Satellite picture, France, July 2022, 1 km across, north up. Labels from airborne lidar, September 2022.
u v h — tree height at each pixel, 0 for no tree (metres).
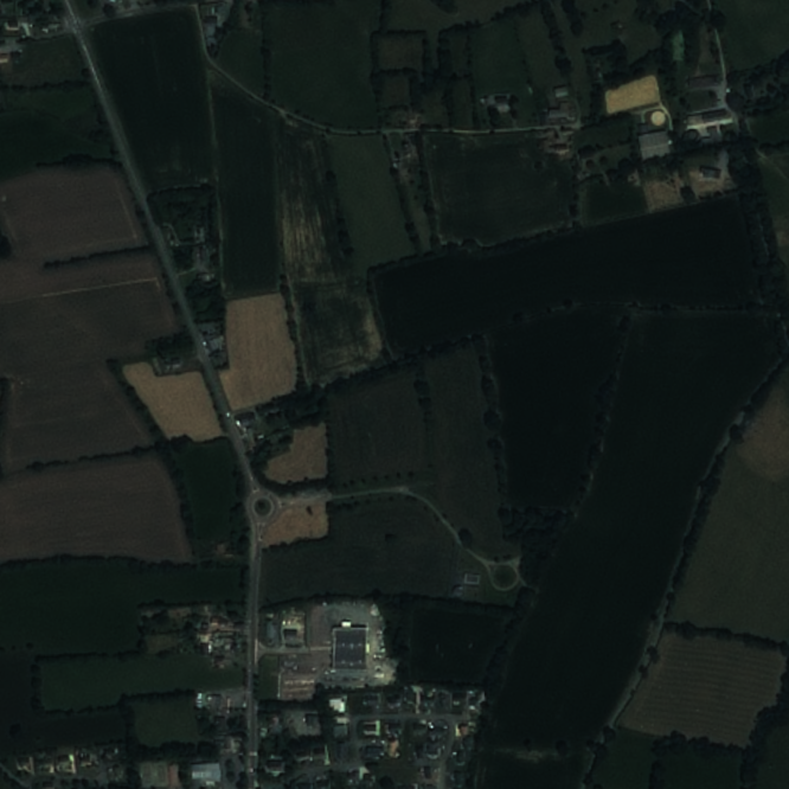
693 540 16
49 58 0
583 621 0
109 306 0
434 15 0
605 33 0
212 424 0
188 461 0
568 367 0
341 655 0
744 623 0
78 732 0
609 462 0
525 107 0
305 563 0
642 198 0
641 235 0
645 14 9
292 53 0
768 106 14
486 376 8
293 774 9
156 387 0
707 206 0
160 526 0
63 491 0
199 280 11
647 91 0
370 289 7
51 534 0
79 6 0
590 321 0
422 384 16
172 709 0
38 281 0
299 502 0
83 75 11
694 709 0
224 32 9
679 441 0
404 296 0
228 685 0
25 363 0
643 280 0
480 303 0
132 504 0
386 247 0
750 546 0
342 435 0
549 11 17
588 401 0
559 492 0
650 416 0
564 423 0
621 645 0
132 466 0
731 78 11
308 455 0
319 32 0
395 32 8
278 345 0
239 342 0
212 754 16
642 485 0
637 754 0
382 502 9
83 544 0
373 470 0
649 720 0
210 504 0
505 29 0
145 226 14
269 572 0
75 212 0
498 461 8
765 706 0
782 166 0
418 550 0
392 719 0
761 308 12
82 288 0
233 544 7
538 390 0
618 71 11
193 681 0
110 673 0
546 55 0
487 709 21
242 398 0
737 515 0
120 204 0
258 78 0
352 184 0
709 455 0
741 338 0
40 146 0
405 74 12
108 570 0
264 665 0
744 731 0
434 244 14
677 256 0
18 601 0
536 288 0
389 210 0
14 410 0
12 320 0
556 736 0
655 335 0
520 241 11
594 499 0
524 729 0
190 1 12
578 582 0
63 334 0
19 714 0
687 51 12
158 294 0
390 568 0
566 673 0
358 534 0
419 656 0
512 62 0
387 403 0
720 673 0
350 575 0
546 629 0
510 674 0
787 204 0
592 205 0
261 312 0
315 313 18
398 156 10
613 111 0
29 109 0
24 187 0
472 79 6
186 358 0
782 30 0
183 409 0
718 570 0
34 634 0
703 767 0
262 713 11
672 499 0
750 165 8
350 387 12
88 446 0
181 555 0
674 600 16
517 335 0
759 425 0
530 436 0
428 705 0
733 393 0
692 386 0
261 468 9
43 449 0
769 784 0
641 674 14
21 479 0
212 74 0
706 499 13
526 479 0
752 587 0
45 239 0
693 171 0
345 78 0
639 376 0
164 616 11
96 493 0
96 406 0
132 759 10
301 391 12
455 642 0
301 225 0
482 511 0
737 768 0
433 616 0
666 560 0
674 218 0
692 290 0
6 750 0
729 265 0
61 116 0
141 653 8
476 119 11
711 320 0
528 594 15
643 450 0
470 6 0
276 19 0
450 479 0
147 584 0
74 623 0
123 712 14
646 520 0
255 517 0
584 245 0
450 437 0
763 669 0
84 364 0
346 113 0
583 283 0
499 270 0
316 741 13
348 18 0
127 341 0
